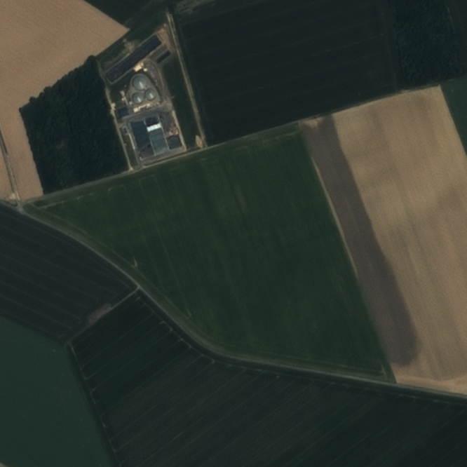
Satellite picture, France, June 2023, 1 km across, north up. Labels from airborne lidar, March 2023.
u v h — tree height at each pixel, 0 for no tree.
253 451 0
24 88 0
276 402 0
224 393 0
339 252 0
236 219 0
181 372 0
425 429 0
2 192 0
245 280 0
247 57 0
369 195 0
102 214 0
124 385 0
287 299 0
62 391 0
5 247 0
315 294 0
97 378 0
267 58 0
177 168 0
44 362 0
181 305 0
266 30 0
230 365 0
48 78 0
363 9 0
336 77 0
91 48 0
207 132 0
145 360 0
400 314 0
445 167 0
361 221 0
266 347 0
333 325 0
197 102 0
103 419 0
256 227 0
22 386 0
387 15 0
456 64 14
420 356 0
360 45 0
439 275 0
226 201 0
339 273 0
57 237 0
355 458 0
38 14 0
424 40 20
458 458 0
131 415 0
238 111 0
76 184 10
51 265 0
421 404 0
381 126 0
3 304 0
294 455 0
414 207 0
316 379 0
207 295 0
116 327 0
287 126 0
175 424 0
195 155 0
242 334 0
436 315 0
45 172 11
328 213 0
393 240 0
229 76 0
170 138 0
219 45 0
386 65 0
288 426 0
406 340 0
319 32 0
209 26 0
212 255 0
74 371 0
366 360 0
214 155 0
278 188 0
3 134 0
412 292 0
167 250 0
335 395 0
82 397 0
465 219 0
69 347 0
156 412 0
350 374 0
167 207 0
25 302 0
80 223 0
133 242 0
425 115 0
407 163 0
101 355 0
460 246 0
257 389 0
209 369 0
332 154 0
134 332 0
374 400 0
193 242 0
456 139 0
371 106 0
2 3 0
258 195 0
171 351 0
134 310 0
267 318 0
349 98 0
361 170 0
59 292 0
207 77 0
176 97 0
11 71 0
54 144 18
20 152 0
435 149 0
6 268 0
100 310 0
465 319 0
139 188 0
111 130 15
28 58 0
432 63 17
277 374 0
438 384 0
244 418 0
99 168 15
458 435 0
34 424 0
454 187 0
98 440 0
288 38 0
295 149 0
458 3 0
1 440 0
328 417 0
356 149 0
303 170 0
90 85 21
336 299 0
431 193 0
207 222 0
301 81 0
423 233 0
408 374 0
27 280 0
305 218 0
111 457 0
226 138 0
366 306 0
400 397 0
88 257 0
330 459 0
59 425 0
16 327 0
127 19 0
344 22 0
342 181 0
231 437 0
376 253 0
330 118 0
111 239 0
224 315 0
